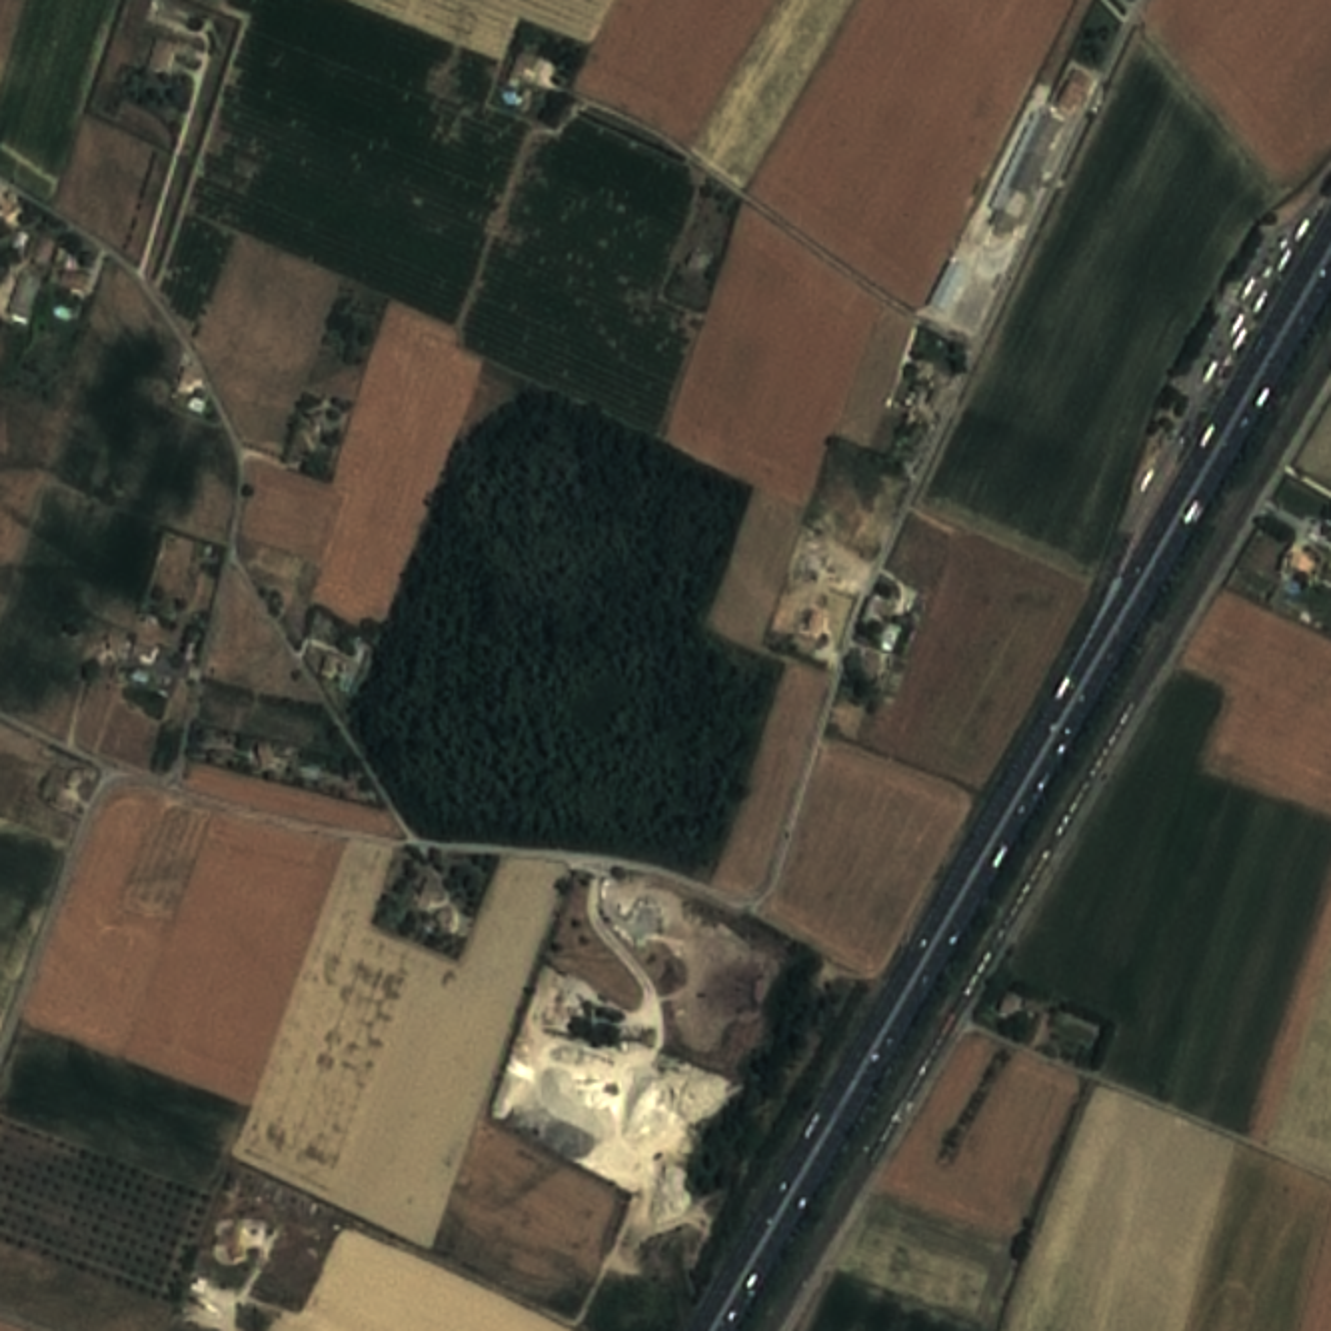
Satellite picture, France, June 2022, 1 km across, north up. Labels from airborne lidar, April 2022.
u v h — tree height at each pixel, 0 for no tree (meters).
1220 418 0
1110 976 0
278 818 0
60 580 0
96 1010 0
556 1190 0
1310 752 0
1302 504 0
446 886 9
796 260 0
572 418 17
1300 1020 0
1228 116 0
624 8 0
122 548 0
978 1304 0
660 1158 0
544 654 20
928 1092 0
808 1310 0
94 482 0
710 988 0
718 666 23
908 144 0
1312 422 0
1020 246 0
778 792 0
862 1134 7
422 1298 0
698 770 14
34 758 0
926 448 0
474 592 24
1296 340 0
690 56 0
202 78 0
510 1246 0
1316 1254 0
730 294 0
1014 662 0
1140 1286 0
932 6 0
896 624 8
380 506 0
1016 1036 17
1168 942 0
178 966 0
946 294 0
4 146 0
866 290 0
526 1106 0
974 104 0
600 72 0
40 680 0
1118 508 0
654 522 15
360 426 0
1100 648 0
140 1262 9
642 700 8
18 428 0
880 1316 0
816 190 0
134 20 0
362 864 0
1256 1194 0
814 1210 6
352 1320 0
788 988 12
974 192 0
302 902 0
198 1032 0
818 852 0
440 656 23
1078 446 0
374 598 0
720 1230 8
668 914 0
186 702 0
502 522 19
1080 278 0
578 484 6
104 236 0
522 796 22
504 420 13
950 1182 0
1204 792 0
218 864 0
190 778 0
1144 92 0
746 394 0
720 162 0
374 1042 0
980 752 0
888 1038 0
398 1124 0
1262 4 0
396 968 0
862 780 0
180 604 9
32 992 0
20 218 10
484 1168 0
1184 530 0
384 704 25
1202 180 0
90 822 0
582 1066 0
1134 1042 0
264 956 0
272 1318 0
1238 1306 0
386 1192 0
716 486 22
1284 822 0
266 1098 0
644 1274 0
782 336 0
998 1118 0
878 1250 0
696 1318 0
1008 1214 0
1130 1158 0
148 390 0
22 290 0
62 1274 0
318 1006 0
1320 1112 0
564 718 20
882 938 0
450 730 23
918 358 14
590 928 0
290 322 0
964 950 9
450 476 12
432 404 0
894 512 0
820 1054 7
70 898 0
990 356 0
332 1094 0
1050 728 0
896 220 0
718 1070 0
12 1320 0
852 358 0
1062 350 0
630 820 19
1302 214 0
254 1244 0
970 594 0
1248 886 0
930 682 0
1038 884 0
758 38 0
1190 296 0
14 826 0
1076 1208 0
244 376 0
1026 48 0
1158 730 0
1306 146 0
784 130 0
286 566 0
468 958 0
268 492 0
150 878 0
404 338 0
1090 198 0
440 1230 0
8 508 0
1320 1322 0
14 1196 7
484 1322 0
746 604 0
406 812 12
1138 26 0
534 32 10
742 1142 8
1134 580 0
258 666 0
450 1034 0
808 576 0
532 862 0
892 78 0
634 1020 0
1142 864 0
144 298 0
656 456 10
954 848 0
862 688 12
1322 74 0
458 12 0
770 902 0
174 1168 0
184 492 0
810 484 0
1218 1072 0
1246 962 0
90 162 0
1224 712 0
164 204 0
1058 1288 0
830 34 0
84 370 0
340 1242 0
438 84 0
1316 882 0
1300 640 0
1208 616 0
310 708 7
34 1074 0
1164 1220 0
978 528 0
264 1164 0
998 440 0
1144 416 0
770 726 0
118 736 0
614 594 20
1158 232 0
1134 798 0
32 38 0
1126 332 0
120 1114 0
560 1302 0
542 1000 0
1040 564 0
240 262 0
